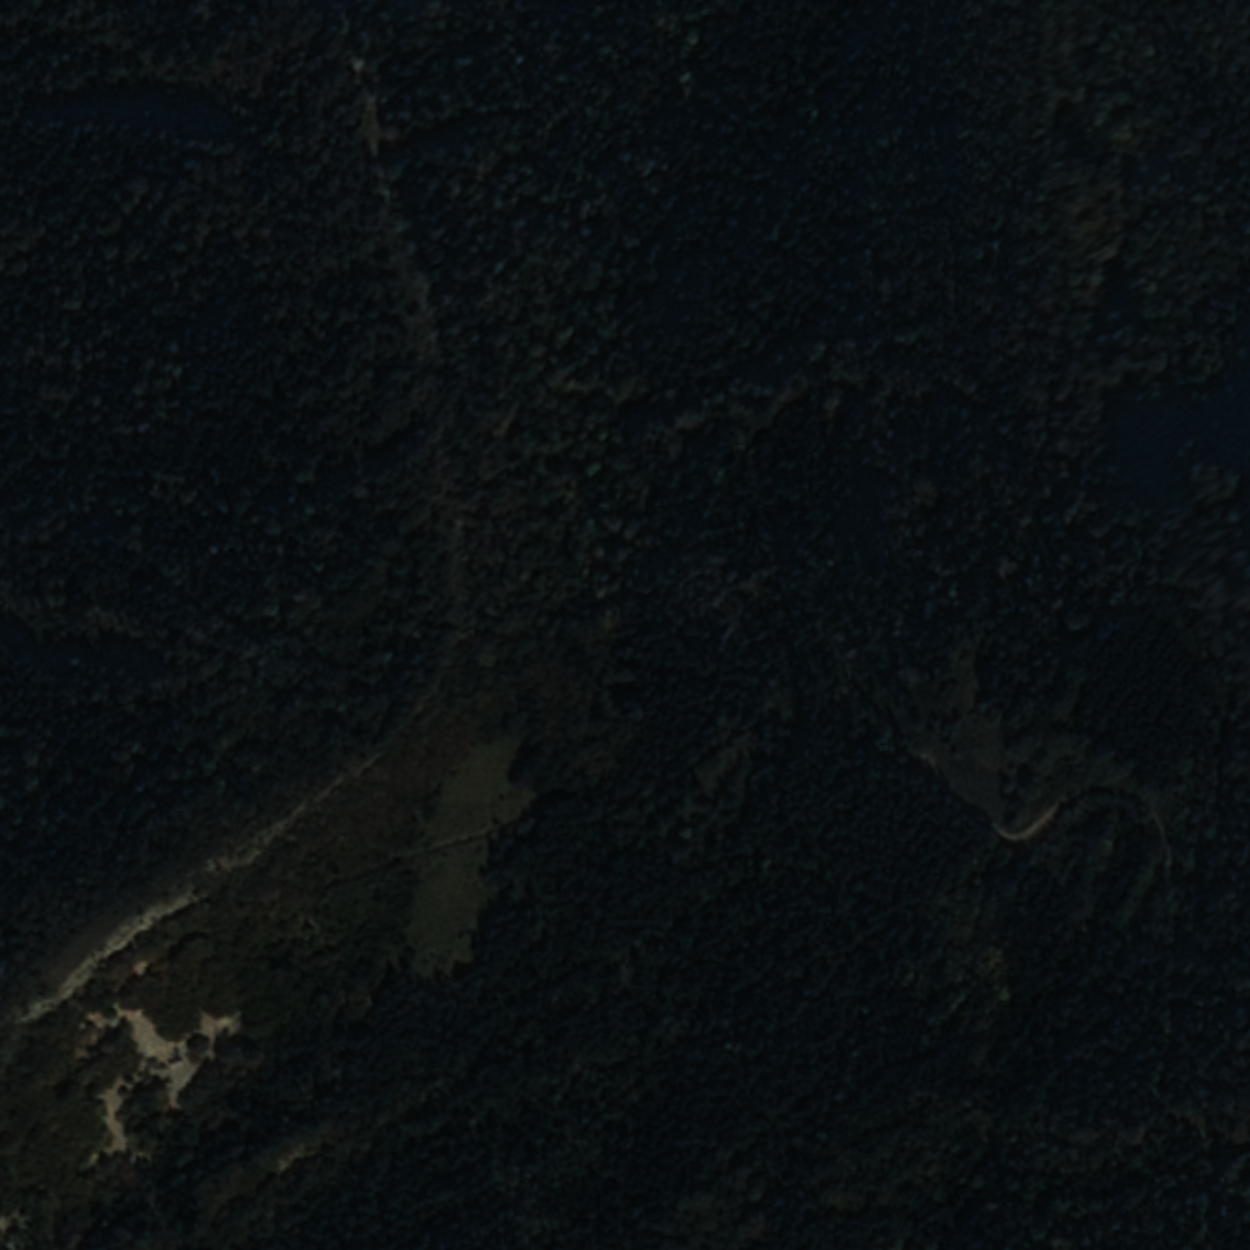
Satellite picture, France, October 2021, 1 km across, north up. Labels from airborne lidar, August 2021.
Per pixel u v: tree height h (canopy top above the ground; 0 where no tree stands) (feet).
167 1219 67
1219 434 114
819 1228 83
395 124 84
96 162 89
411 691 44
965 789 0
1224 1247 52
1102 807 26
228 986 80
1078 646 62
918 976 38
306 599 63
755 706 73
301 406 34
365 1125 32
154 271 77
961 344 94
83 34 50
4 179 71
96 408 31
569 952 56
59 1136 88
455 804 0
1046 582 35
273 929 71
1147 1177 54
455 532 21
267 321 79
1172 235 100
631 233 85
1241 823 97
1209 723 54
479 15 62
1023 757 26
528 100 86
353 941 25
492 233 83
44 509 77
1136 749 58
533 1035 45
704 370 102
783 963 78
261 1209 79
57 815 97
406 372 39
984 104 70
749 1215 84
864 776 99
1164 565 71
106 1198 57
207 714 51
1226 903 74
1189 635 57
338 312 56
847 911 28
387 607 21
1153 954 72
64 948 0
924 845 59
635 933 71
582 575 81
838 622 97
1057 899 58
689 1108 49
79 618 86
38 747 85
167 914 30
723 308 88
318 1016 68
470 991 67
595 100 63
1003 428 100
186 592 82
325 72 69
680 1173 41
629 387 100
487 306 71
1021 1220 75
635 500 85
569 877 76
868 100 73
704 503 95
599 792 65
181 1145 54
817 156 87
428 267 60
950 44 77
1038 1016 53
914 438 94
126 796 64
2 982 42
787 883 34
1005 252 73
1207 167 101
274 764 39
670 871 86
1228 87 87
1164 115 94
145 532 53
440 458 41
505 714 34
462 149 82
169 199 87
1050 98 63
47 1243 72
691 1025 41
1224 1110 89
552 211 56
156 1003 65
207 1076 57
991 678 72
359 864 19
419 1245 73
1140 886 71
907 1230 87
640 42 74
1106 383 108
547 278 83
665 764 45
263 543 62
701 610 87
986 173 86
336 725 49
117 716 89
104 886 52
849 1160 41
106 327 58
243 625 29
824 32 105
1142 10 95
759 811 85
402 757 74
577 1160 26
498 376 85
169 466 55
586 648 95
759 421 95
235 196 85
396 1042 83
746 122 93
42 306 68
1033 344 103
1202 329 103
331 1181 89
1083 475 90
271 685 28
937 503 38
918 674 79
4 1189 69
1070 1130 77
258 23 80
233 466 74
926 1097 47
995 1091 41
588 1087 48
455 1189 41
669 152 86
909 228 92
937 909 65
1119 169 0
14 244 83
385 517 22
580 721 83
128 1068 57
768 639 54
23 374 82
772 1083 77
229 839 25
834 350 128
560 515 82
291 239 79
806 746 66
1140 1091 95
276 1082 86
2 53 83
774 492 45
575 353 97
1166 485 91
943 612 33
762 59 87
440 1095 43
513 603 81
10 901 73
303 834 51
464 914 0
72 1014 66
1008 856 30
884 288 111
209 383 85
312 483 25
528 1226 74
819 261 101
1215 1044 86
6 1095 63
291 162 43
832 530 19
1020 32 38
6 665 82
